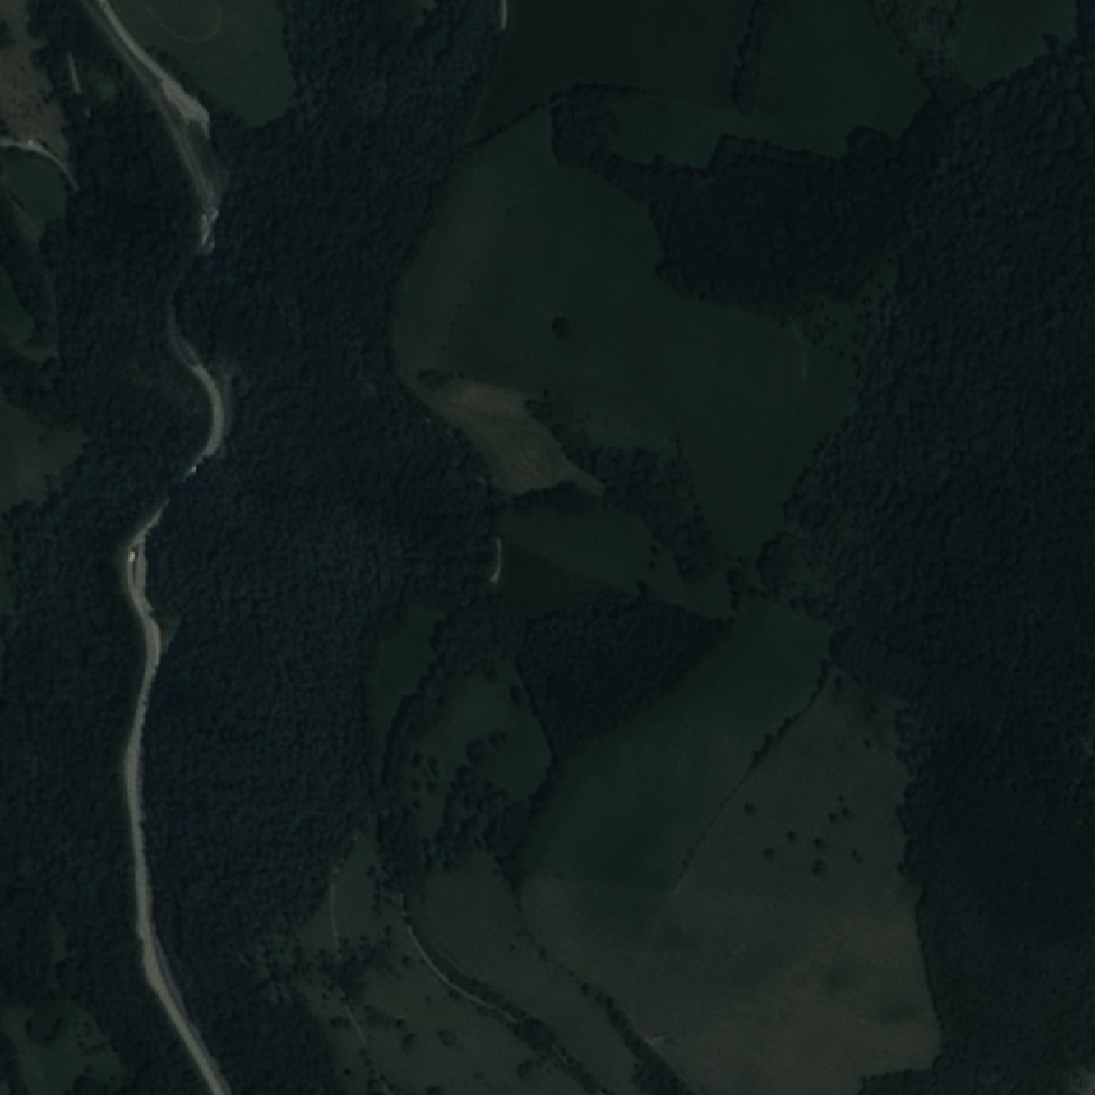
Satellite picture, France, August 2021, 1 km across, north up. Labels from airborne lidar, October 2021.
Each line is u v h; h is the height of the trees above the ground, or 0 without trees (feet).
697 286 56
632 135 0
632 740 0
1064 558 71
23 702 52
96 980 53
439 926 0
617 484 70
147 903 0
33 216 0
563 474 0
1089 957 54
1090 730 91
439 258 0
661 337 0
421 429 33
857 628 52
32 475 0
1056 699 77
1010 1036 42
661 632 59
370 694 54
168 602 31
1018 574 69
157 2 0
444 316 0
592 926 0
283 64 0
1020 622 74
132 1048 41
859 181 107
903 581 52
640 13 0
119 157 34
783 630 0
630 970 0
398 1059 0
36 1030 36
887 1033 0
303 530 48
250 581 50
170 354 32
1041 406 65
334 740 28
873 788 0
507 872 50
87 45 44
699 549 48
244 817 35
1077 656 79
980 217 56
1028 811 74
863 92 0
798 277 72
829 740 0
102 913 42
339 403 51
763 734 0
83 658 41
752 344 0
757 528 0
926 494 35
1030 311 87
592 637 48
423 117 60
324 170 44
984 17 0
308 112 49
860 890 0
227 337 48
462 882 0
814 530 29
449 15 39
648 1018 0
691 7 0
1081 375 57
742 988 0
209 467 24
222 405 0
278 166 50
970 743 64
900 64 0
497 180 0
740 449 0
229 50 0
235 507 32
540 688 65
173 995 0
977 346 93
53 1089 0
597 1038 0
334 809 48
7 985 68
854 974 0
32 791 45
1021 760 67
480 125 0
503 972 0
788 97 0
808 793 0
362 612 54
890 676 71
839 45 0
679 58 0
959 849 55
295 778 26
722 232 97
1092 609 100
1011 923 54
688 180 84
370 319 64
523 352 0
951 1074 38
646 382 0
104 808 57
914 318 71
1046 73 71
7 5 0
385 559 34
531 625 28
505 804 60
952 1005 42
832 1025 0
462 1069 0
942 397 62
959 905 49
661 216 78
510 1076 0
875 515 29
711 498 0
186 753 58
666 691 48
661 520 60
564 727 51
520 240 0
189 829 62
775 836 0
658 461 47
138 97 31
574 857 0
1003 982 42
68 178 23
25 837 59
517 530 0
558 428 32
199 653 55
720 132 0
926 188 67
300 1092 38
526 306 0
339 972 29
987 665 82
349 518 40
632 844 0
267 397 29
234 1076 36
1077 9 0
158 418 54
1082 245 93
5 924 48
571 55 0
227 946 49
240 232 45
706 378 0
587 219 0
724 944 0
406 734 52
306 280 73
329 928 0
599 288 0
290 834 53
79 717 52
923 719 23
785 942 0
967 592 88
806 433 0
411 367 0
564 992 0
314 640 46
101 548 58
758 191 107
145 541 0
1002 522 70
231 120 31
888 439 44
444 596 46
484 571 57
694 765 0
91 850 61
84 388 53
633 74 0
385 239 69
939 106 64
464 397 0
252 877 52
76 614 38
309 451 35
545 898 0
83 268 48
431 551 76
